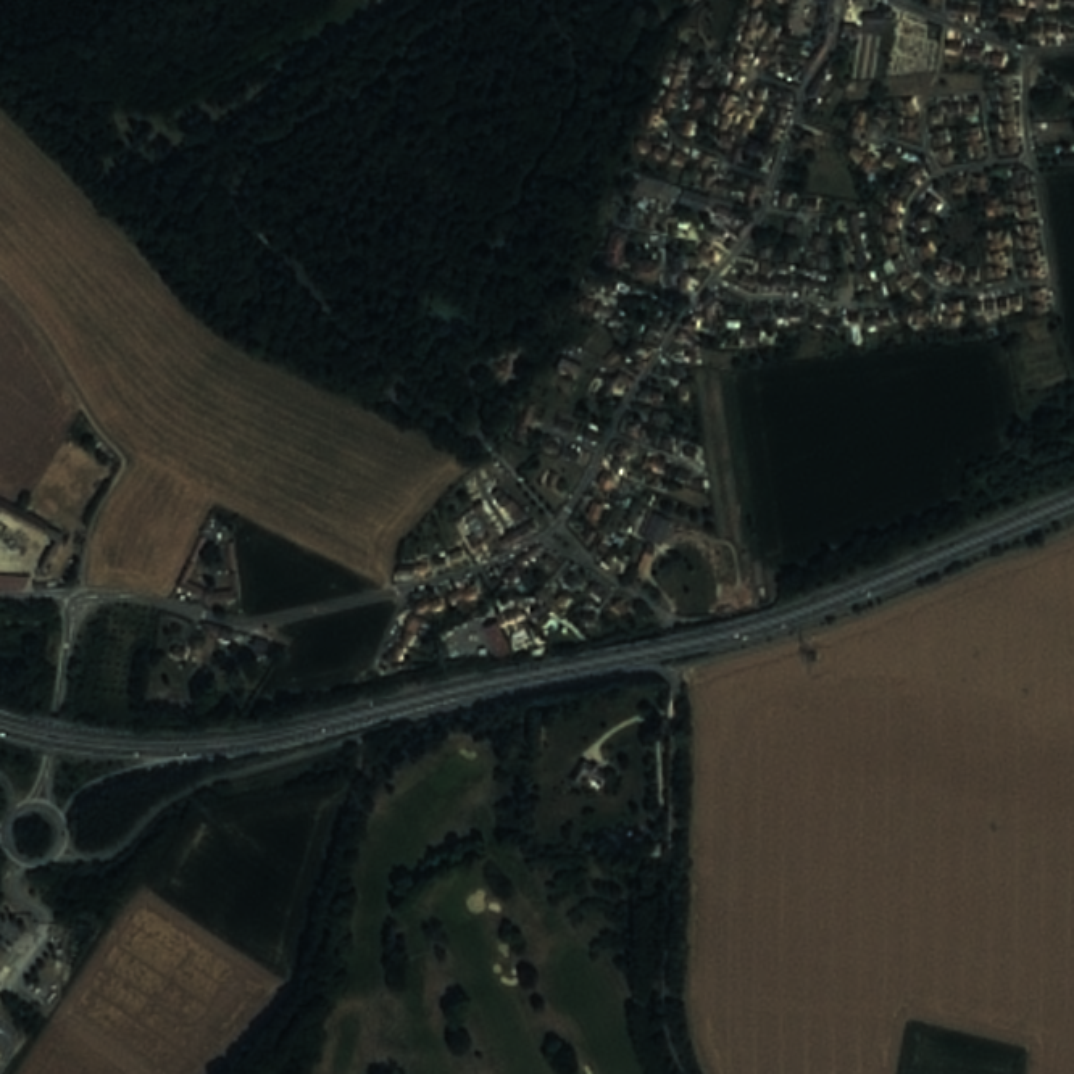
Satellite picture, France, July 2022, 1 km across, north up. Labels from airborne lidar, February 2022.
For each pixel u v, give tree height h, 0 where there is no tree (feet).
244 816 0
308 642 0
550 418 0
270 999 0
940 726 0
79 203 0
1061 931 0
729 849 0
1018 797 0
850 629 0
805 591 38
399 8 56
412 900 69
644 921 79
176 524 0
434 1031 0
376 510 0
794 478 0
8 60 73
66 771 30
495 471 0
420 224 74
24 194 0
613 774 40
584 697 55
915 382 0
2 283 0
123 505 0
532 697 53
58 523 0
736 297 0
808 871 0
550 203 74
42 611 32
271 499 0
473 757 0
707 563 0
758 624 0
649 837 43
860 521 0
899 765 0
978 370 0
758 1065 0
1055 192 0
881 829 0
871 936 0
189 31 73
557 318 72
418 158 84
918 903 0
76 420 0
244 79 37
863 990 0
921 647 0
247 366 0
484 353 69
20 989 0
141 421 0
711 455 0
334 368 74
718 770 0
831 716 0
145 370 0
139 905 0
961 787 0
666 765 25
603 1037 0
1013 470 25
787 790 0
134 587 0
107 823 60
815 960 0
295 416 0
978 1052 0
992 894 0
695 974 0
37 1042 0
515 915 0
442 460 0
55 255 0
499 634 0
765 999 0
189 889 0
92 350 0
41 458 0
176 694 0
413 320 56
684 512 25
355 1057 0
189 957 0
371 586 0
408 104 78
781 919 0
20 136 0
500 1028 0
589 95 73
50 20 65
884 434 0
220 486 0
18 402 0
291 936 0
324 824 0
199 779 30
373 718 0
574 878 36
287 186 88
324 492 0
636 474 0
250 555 0
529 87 80
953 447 0
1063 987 0
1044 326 0
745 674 0
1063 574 0
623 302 24
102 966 0
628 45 71
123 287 0
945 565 0
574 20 76
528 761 32
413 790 0
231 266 66
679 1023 65
